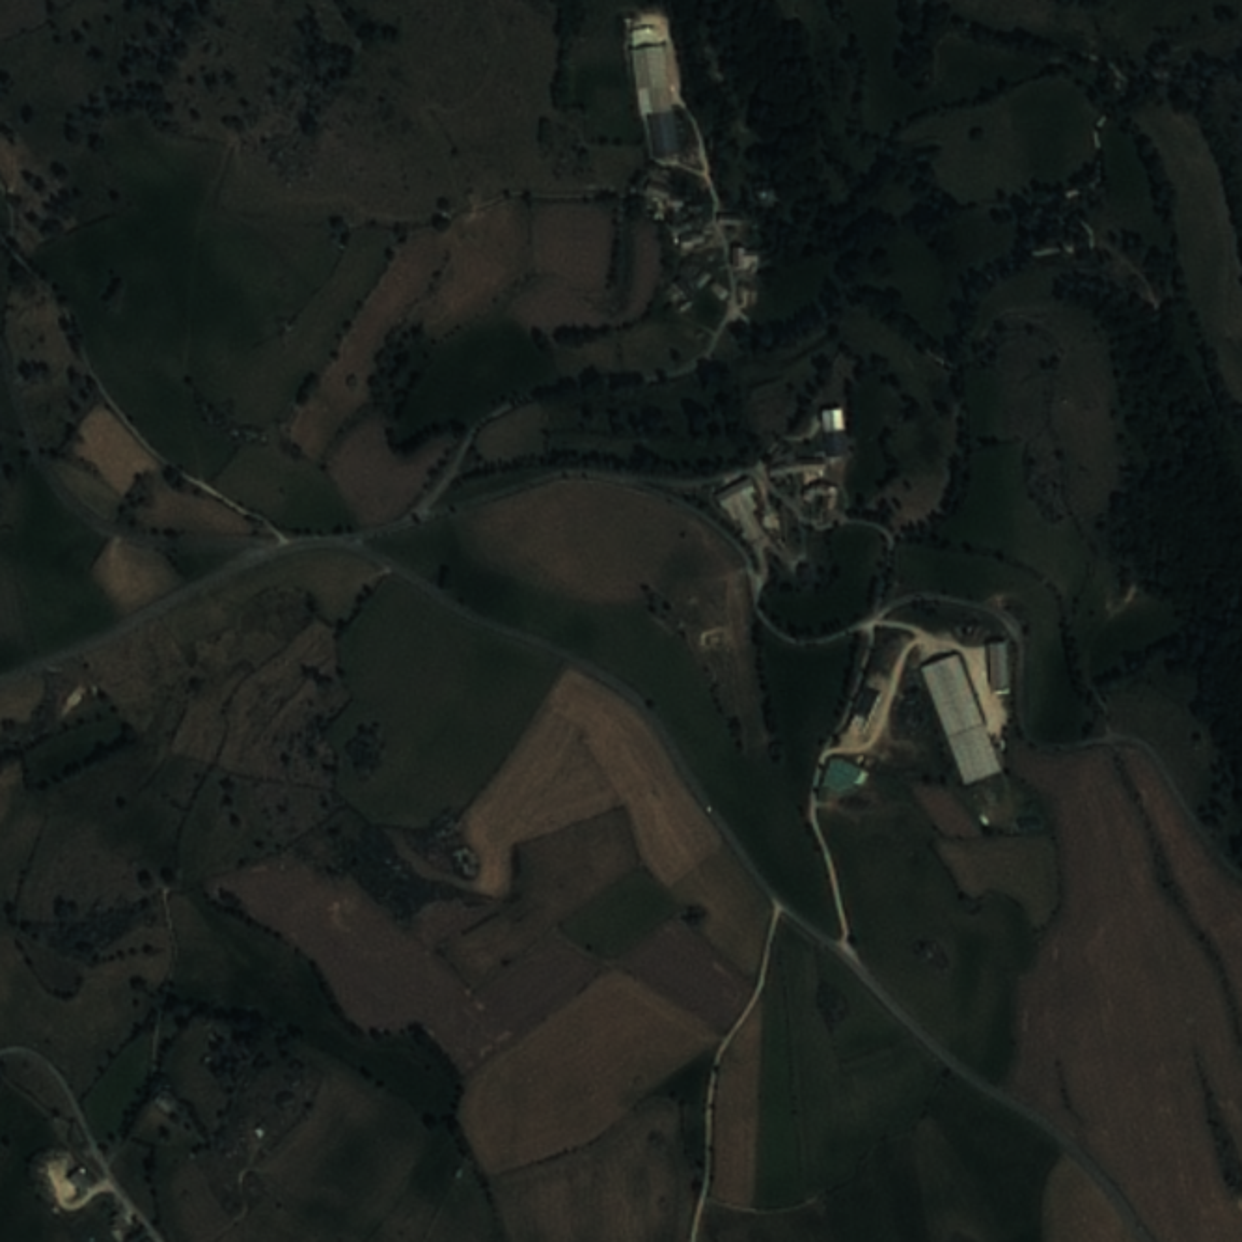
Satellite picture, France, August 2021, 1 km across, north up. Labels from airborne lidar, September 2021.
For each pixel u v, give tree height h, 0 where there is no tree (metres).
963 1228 0
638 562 0
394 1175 0
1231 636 17
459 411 0
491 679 0
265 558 0
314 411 0
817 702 0
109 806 0
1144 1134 0
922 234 16
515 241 0
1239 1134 0
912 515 0
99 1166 0
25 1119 0
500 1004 0
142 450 0
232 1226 0
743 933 0
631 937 0
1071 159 0
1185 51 0
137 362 0
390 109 0
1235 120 7
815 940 0
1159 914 0
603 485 0
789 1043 0
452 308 0
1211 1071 0
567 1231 0
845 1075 0
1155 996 0
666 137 0
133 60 8
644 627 0
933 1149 0
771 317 0
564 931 0
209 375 0
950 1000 0
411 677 0
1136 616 0
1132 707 0
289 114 0
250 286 0
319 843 0
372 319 0
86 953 13
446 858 0
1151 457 10
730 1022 0
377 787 0
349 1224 0
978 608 0
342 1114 0
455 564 0
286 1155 0
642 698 0
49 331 0
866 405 0
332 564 0
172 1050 7
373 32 14
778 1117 0
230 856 0
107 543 0
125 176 0
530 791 0
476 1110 0
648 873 0
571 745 0
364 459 0
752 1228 0
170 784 0
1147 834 0
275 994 0
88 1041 0
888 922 0
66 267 0
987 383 0
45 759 0
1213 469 22
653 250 0
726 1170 0
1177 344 20
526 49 0
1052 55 18
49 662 0
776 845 0
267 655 0
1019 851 0
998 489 0
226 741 0
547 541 0
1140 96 18
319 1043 0
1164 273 14
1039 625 0
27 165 0
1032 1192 0
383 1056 0
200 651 0
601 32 0
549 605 0
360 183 0
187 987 0
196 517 0
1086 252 13
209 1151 8
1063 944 0
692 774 0
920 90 13
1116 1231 0
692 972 0
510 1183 0
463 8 0
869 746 0
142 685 0
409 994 0
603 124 0
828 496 0
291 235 0
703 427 12
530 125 0
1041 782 0
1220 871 0
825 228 17
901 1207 0
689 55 10
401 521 0
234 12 0
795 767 0
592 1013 0
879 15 0
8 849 0
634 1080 0
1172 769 0
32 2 0
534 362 0
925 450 0
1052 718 0
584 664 0
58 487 0
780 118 21
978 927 0
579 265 0
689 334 0
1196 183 0
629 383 15
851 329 0
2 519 0
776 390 0
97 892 0
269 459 0
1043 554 0
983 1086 0
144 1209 0
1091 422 0
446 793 0
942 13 14
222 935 0
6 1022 0
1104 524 9
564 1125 0
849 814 0
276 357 0
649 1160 0
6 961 0
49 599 0
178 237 0
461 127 0
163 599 0
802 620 0
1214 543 18
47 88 0
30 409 0
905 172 8
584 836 0
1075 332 0
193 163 0
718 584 0
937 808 0
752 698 0
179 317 0
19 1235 0
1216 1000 0
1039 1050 0
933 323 0
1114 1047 0
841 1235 0
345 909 0
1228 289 0
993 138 0
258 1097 0
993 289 12
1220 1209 0
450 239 0
